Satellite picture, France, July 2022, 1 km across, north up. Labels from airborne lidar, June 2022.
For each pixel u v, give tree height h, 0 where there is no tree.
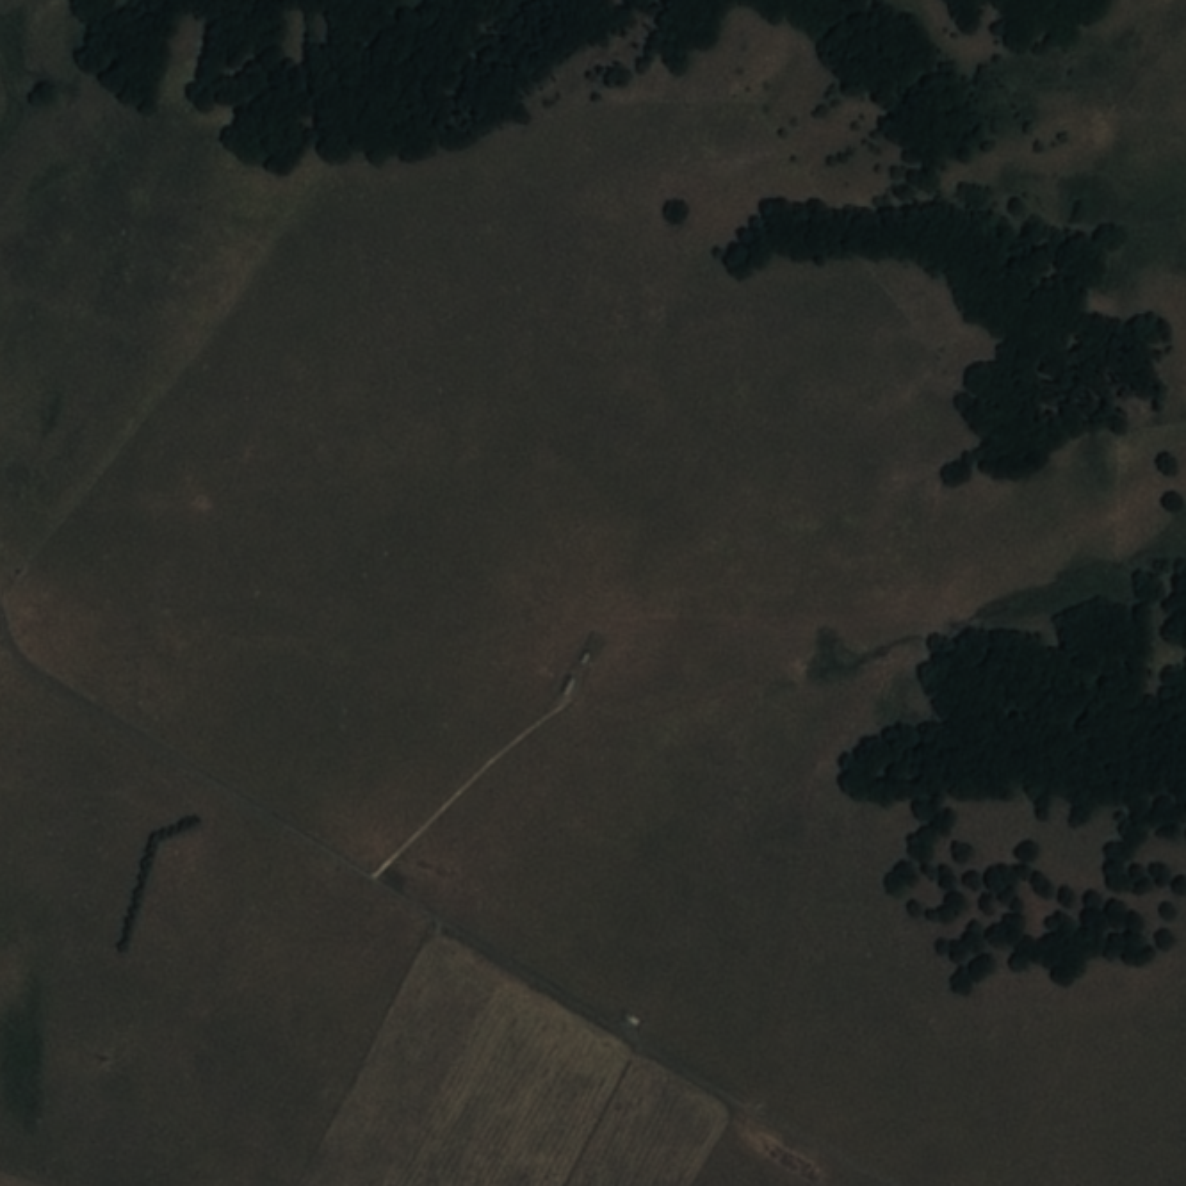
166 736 0
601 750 0
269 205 0
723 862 0
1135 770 16
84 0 14
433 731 0
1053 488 0
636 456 0
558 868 0
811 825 0
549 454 0
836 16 14
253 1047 0
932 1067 0
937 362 0
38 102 8
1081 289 12
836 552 0
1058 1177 0
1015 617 0
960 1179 0
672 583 0
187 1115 0
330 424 0
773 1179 0
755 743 0
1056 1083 0
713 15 13
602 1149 0
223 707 0
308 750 0
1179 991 0
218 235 0
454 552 0
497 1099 0
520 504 0
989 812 0
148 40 18
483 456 0
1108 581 0
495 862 0
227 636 0
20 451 0
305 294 0
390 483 0
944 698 15
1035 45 8
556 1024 0
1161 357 14
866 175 0
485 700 0
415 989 0
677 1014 0
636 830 0
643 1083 0
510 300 0
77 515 0
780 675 0
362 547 0
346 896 0
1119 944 12
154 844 7
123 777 0
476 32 15
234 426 0
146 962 0
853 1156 0
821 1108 0
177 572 0
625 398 0
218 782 0
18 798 0
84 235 0
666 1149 0
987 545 0
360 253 0
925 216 17
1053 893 8
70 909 0
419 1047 0
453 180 0
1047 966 7
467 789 0
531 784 0
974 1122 0
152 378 0
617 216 0
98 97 0
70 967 0
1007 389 14
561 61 13
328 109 17
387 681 0
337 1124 0
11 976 0
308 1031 0
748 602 0
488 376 0
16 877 0
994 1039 0
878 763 15
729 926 0
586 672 0
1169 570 13
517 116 12
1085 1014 0
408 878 0
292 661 0
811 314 0
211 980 0
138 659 0
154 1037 0
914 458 0
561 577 0
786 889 0
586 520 0
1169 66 0
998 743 16
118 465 0
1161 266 0
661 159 0
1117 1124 0
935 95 18
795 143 0
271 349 0
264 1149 0
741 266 13
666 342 0
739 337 0
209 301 0
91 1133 0
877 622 0
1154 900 0
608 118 0
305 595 0
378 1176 0
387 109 15
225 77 10
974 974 9
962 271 12
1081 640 13
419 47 16
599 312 0
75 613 0
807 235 15
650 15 13
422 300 0
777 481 0
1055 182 0
